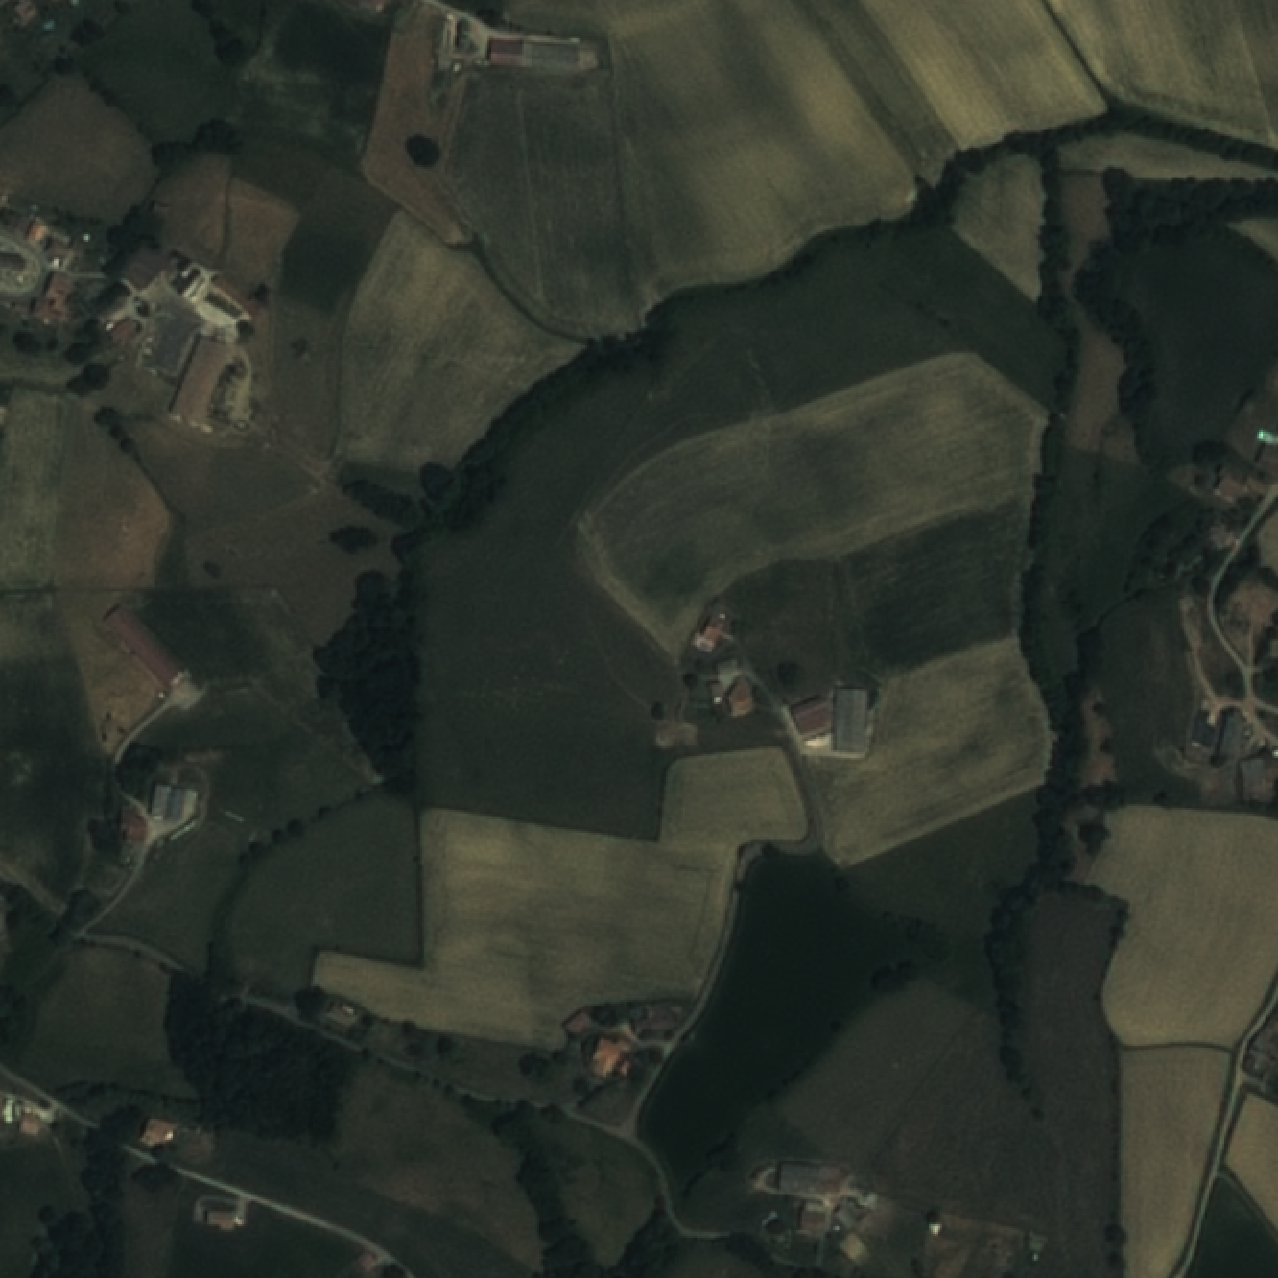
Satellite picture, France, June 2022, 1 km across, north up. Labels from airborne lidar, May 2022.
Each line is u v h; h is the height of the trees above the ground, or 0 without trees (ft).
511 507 0
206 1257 0
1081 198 0
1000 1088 0
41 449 0
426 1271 0
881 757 0
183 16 0
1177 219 36
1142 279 0
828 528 0
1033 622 55
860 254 0
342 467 0
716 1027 0
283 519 0
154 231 0
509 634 0
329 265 0
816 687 0
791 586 0
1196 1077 0
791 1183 0
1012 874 0
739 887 33
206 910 0
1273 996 0
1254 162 26
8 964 0
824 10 0
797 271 26
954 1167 0
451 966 0
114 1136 66
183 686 0
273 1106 73
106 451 0
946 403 0
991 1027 0
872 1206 0
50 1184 0
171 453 0
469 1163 0
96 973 0
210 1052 86
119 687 0
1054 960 0
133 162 0
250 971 0
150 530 0
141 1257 0
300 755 0
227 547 0
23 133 0
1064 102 0
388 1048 0
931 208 59
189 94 0
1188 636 0
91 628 0
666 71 0
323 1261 0
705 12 0
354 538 56
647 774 0
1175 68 0
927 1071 0
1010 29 0
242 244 0
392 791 26
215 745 0
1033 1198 0
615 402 0
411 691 58
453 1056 52
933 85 0
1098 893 42
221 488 0
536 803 0
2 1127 0
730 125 0
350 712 52
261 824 0
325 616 0
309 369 0
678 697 0
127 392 0
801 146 0
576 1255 63
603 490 0
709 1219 0
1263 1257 0
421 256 0
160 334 0
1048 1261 0
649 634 0
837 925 0
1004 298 0
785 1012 0
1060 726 51
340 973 0
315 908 0
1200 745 0
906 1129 0
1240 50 0
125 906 0
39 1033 0
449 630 0
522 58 0
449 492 92
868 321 0
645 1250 64
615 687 0
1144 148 0
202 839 0
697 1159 0
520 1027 0
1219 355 0
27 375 0
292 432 0
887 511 0
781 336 0
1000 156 28
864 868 0
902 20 0
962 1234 0
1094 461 0
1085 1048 0
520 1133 68
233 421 0
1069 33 0
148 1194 50
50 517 0
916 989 0
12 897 61
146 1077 0
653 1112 0
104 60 0
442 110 0
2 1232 0
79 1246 59
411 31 0
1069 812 41
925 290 0
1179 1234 0
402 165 0
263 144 0
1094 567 0
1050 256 50
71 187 0
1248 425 0
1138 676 0
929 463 0
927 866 0
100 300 23
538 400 39
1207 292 0
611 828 0
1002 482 0
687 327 0
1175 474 0
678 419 0
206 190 0
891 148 0
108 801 17
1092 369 0
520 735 0
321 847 0
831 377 0
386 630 74
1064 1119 0
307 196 0
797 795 0
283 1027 38
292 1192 0
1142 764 0
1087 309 45
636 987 0
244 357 0
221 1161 0
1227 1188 0
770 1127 0
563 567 0
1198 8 0
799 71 0
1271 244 0
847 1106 0
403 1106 0
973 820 0
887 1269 0
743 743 0
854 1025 0
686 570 0
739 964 0
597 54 0
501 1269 0
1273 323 0
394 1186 0
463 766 0
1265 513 0
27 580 0
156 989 0
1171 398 0
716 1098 0
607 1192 0
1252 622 0
